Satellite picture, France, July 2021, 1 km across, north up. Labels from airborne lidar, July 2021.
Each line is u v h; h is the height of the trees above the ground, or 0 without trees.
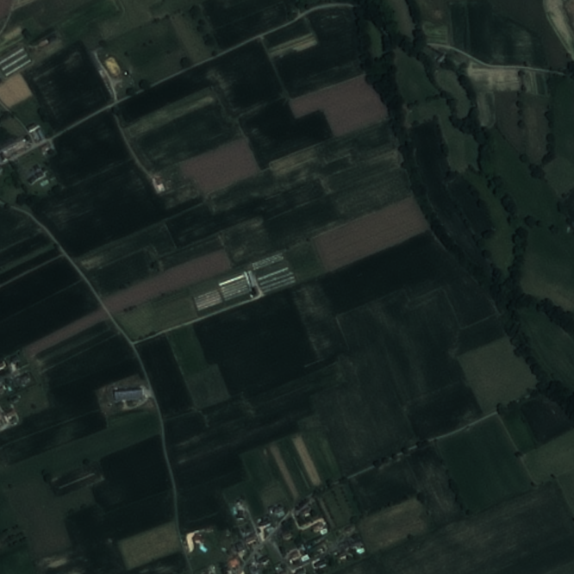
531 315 0
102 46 8
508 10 0
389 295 0
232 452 0
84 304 0
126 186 0
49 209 0
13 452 0
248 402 0
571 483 0
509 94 0
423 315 0
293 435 0
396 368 0
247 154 0
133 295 0
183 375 0
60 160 0
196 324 0
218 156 0
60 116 0
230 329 0
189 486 0
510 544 0
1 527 0
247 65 0
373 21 22
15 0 0
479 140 24
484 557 0
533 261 0
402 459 0
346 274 0
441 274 0
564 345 0
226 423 0
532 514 0
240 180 0
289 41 0
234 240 0
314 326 0
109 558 0
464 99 0
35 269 0
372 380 0
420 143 0
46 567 0
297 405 0
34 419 0
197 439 0
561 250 0
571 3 0
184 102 0
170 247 0
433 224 10
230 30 0
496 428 0
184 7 0
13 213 0
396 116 17
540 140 0
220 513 0
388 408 0
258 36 0
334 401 0
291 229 0
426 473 0
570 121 0
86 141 0
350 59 0
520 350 15
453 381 0
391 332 0
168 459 0
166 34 0
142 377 0
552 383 10
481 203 15
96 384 0
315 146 0
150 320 0
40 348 0
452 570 0
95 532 0
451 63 7
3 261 0
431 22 0
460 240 0
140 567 0
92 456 0
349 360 0
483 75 0
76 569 0
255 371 0
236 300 0
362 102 0
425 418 0
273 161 0
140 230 0
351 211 0
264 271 0
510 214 20
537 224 10
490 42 0
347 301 0
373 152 0
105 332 0
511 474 0
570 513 0
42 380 0
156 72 0
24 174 0
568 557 0
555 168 0
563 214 11
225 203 0
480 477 0
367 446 0
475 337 0
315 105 0
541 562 0
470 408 0
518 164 0
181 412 0
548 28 0
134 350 0
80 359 0
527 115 0
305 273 0
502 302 23
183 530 0
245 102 0
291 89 0
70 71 0
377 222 0
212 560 0
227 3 0
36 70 0
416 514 0
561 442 0
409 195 0
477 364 0
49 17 0
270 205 0
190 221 0
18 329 0
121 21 0
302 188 0
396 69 17
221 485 0
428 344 0
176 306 0
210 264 0
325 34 0
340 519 0
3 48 0
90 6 0
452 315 0
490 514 0
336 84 0
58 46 0
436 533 0
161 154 0
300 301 0
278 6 0
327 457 0
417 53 23
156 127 0
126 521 0
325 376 0
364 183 0
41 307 0
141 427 0
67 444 0
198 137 0
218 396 0
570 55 10
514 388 0
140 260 0
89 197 0
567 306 0
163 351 0
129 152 0
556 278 0
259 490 0
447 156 7
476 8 0
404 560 0
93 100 0
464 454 0
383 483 0
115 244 0
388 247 0
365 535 0
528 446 0
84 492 0
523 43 0
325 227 0
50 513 0
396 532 0
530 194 0
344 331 0
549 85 8
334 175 0
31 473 0
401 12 0
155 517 0
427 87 0
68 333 0
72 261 0
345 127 0
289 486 0
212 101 0
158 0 0
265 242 0
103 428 0
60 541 0
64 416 0
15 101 0
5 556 0
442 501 0
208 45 7
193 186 0
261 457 0
